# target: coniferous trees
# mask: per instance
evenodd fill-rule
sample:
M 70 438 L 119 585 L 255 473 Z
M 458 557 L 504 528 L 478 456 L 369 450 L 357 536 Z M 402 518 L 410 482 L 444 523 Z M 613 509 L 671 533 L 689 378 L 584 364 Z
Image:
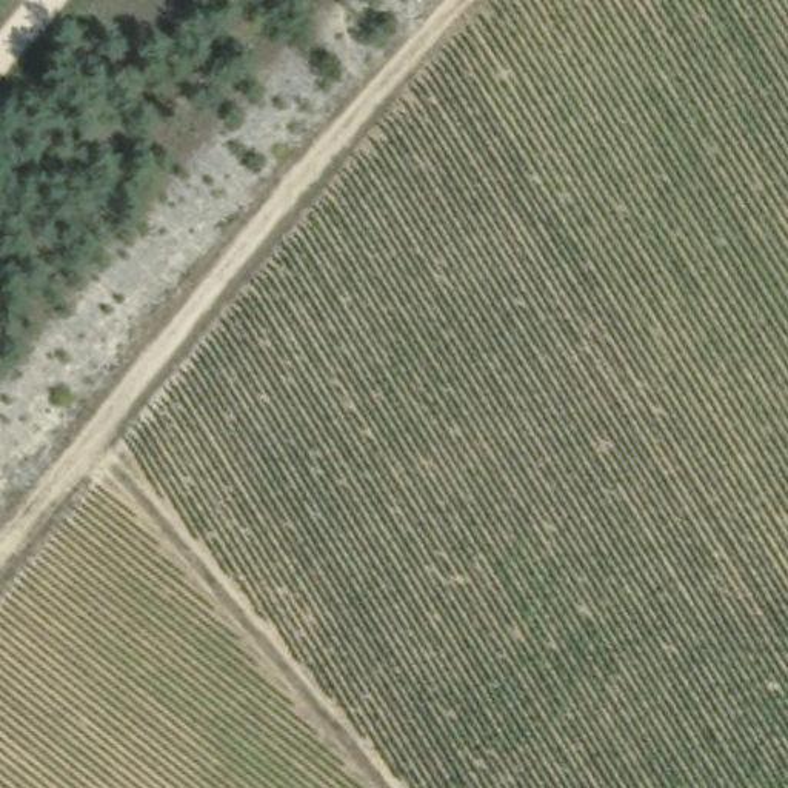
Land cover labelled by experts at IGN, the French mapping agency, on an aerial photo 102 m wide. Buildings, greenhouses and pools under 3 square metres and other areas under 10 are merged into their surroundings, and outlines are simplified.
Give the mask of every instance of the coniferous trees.
M 209 145 L 215 132 L 237 129 L 243 123 L 243 114 L 262 102 L 262 86 L 255 83 L 259 68 L 271 68 L 283 46 L 292 46 L 302 58 L 308 58 L 320 92 L 332 86 L 332 80 L 339 80 L 339 58 L 320 43 L 317 25 L 308 15 L 296 12 L 299 0 L 160 0 L 163 12 L 154 22 L 139 22 L 132 15 L 105 18 L 105 43 L 86 40 L 80 25 L 68 25 L 58 34 L 58 52 L 52 55 L 49 68 L 49 74 L 55 77 L 55 89 L 40 95 L 12 86 L 6 108 L 0 111 L 0 382 L 15 382 L 22 376 L 22 363 L 31 357 L 34 342 L 49 329 L 49 323 L 68 317 L 83 286 L 95 283 L 108 265 L 126 259 L 132 240 L 148 234 L 151 209 L 166 200 L 166 191 L 175 179 L 188 175 L 185 163 L 191 160 L 191 154 Z
M 354 40 L 369 43 L 382 31 L 394 34 L 394 15 L 363 12 L 360 22 L 351 28 Z

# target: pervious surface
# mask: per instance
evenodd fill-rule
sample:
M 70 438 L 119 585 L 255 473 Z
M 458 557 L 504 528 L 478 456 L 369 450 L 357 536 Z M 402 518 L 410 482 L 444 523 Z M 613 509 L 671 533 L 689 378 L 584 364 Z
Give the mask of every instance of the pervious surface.
M 62 459 L 40 477 L 34 493 L 18 505 L 15 517 L 0 529 L 0 566 L 9 554 L 22 548 L 34 523 L 71 489 L 77 477 L 102 483 L 120 462 L 120 456 L 129 452 L 126 443 L 105 443 L 123 419 L 123 412 L 157 376 L 157 369 L 172 357 L 172 351 L 185 342 L 194 323 L 203 317 L 203 311 L 228 286 L 228 280 L 249 262 L 262 240 L 292 209 L 292 203 L 351 142 L 363 120 L 376 111 L 376 105 L 382 105 L 382 99 L 459 22 L 462 6 L 456 0 L 440 0 L 431 9 L 431 15 L 412 34 L 406 34 L 400 49 L 385 62 L 385 68 L 369 80 L 369 86 L 283 175 L 271 200 L 234 237 L 228 252 L 200 280 L 185 308 L 151 342 L 151 348 L 135 360 L 135 366 L 123 376 L 114 394 L 83 425 L 83 431 L 62 452 Z
M 49 22 L 55 12 L 62 12 L 58 0 L 0 0 L 0 74 L 6 74 L 15 62 L 12 34 Z

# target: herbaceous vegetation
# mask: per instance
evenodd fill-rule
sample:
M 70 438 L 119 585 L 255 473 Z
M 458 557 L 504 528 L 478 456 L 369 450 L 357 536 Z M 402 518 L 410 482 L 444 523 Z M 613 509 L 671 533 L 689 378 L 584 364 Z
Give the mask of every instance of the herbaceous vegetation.
M 55 89 L 55 77 L 49 74 L 49 68 L 52 55 L 58 52 L 58 34 L 68 25 L 80 25 L 86 40 L 105 43 L 105 18 L 132 15 L 139 22 L 154 22 L 163 12 L 160 0 L 58 0 L 62 12 L 55 12 L 49 22 L 12 34 L 15 62 L 6 74 L 0 74 L 0 111 L 6 108 L 12 86 L 40 95 Z
M 406 34 L 412 34 L 431 15 L 431 9 L 440 0 L 299 0 L 296 12 L 308 15 L 317 25 L 320 43 L 339 58 L 339 80 L 332 80 L 332 86 L 320 92 L 308 58 L 302 58 L 292 46 L 283 46 L 271 68 L 259 68 L 255 83 L 262 86 L 262 102 L 243 114 L 243 123 L 237 129 L 215 132 L 209 145 L 191 154 L 191 160 L 185 163 L 188 175 L 175 179 L 166 191 L 166 200 L 151 209 L 148 234 L 132 240 L 126 259 L 108 265 L 95 283 L 83 286 L 68 317 L 49 323 L 49 329 L 34 342 L 31 357 L 22 363 L 22 376 L 15 382 L 0 382 L 0 529 L 15 517 L 18 505 L 34 493 L 40 477 L 62 459 L 62 452 L 83 431 L 83 425 L 114 394 L 123 376 L 135 366 L 135 360 L 151 348 L 151 342 L 185 308 L 200 280 L 228 252 L 234 237 L 271 200 L 283 175 L 369 86 L 369 80 L 385 68 L 385 62 L 400 49 Z M 354 40 L 351 28 L 360 22 L 363 12 L 394 15 L 394 34 L 382 31 L 369 43 Z

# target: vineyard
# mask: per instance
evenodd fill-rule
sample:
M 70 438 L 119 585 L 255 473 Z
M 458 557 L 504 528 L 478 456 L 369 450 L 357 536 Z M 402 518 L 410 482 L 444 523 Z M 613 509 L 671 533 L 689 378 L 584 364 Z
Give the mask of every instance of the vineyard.
M 351 142 L 292 203 L 292 209 L 262 240 L 249 262 L 228 280 L 228 286 L 203 311 L 203 317 L 194 323 L 185 342 L 172 351 L 172 357 L 157 369 L 157 376 L 123 412 L 123 419 L 105 443 L 126 443 L 129 452 L 120 456 L 120 462 L 102 483 L 77 477 L 71 489 L 34 523 L 22 548 L 9 554 L 0 566 L 0 788 L 788 788 L 788 0 L 456 0 L 462 6 L 459 22 L 382 99 L 382 105 L 376 105 L 376 111 L 363 120 Z

